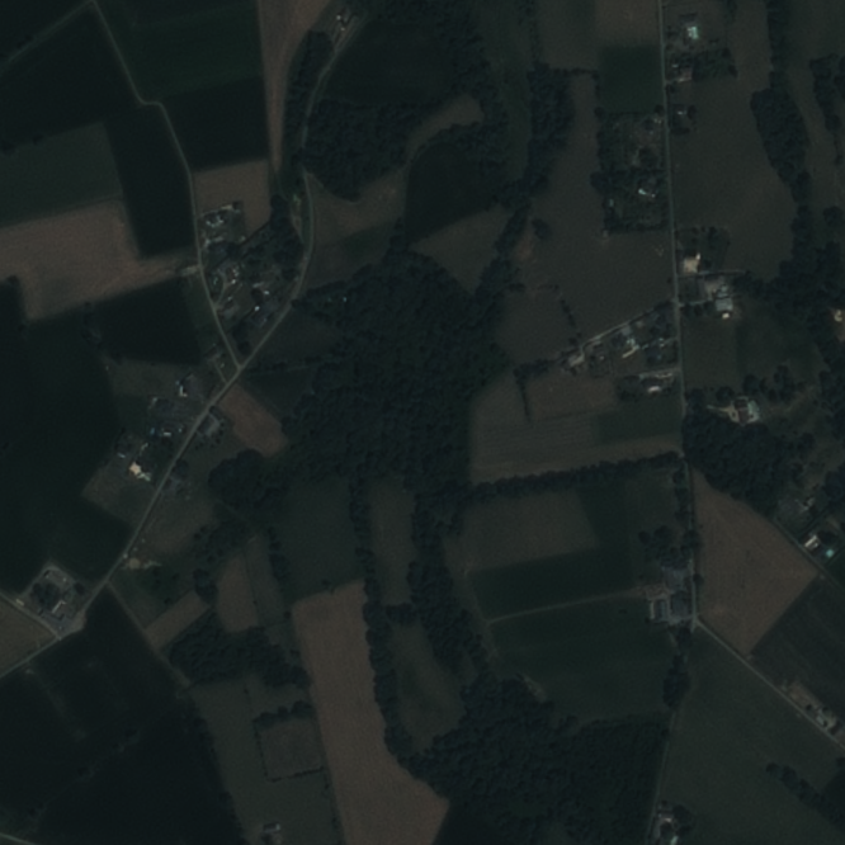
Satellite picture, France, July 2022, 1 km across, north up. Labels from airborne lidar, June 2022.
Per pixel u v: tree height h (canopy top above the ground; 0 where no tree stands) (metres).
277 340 0
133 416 0
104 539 0
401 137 10
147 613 0
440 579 16
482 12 0
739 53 0
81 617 0
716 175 0
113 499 0
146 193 0
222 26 0
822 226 0
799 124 22
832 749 0
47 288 0
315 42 14
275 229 17
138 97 0
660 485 0
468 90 9
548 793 12
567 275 0
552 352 0
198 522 0
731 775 0
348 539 0
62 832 0
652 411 0
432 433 23
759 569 0
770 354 0
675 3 0
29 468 0
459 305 16
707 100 0
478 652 16
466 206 0
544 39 0
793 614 0
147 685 0
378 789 0
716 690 0
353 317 21
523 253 0
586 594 0
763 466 28
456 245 0
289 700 0
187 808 0
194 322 0
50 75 0
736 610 0
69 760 0
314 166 21
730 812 0
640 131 0
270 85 0
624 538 0
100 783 0
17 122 0
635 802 6
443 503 26
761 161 0
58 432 0
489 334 16
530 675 0
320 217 0
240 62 0
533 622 0
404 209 0
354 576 0
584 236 0
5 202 0
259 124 0
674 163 0
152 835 0
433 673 0
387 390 21
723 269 0
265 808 0
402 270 24
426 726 0
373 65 0
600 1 0
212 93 0
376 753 0
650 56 0
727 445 27
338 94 0
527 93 0
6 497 0
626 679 0
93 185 0
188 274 0
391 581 0
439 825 0
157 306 0
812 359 0
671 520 0
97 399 0
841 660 0
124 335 0
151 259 0
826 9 0
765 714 0
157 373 0
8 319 0
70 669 0
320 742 0
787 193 0
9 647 0
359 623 0
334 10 0
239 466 23
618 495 0
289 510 0
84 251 0
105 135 0
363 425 25
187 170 0
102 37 0
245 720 0
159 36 0
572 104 14
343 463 23
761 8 0
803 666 0
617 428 0
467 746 9
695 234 6
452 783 19
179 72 0
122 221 0
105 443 0
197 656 9
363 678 0
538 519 0
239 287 0
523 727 26
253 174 0
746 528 0
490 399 0
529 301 0
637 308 0
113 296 0
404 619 23
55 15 0
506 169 9
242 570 0
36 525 0
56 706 0
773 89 9
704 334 0
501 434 0
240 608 0
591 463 0
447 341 9
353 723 0
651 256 0
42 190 0
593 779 11
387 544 0
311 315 16
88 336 18
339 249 0
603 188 22
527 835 13
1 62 12
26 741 0
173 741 0
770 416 0
